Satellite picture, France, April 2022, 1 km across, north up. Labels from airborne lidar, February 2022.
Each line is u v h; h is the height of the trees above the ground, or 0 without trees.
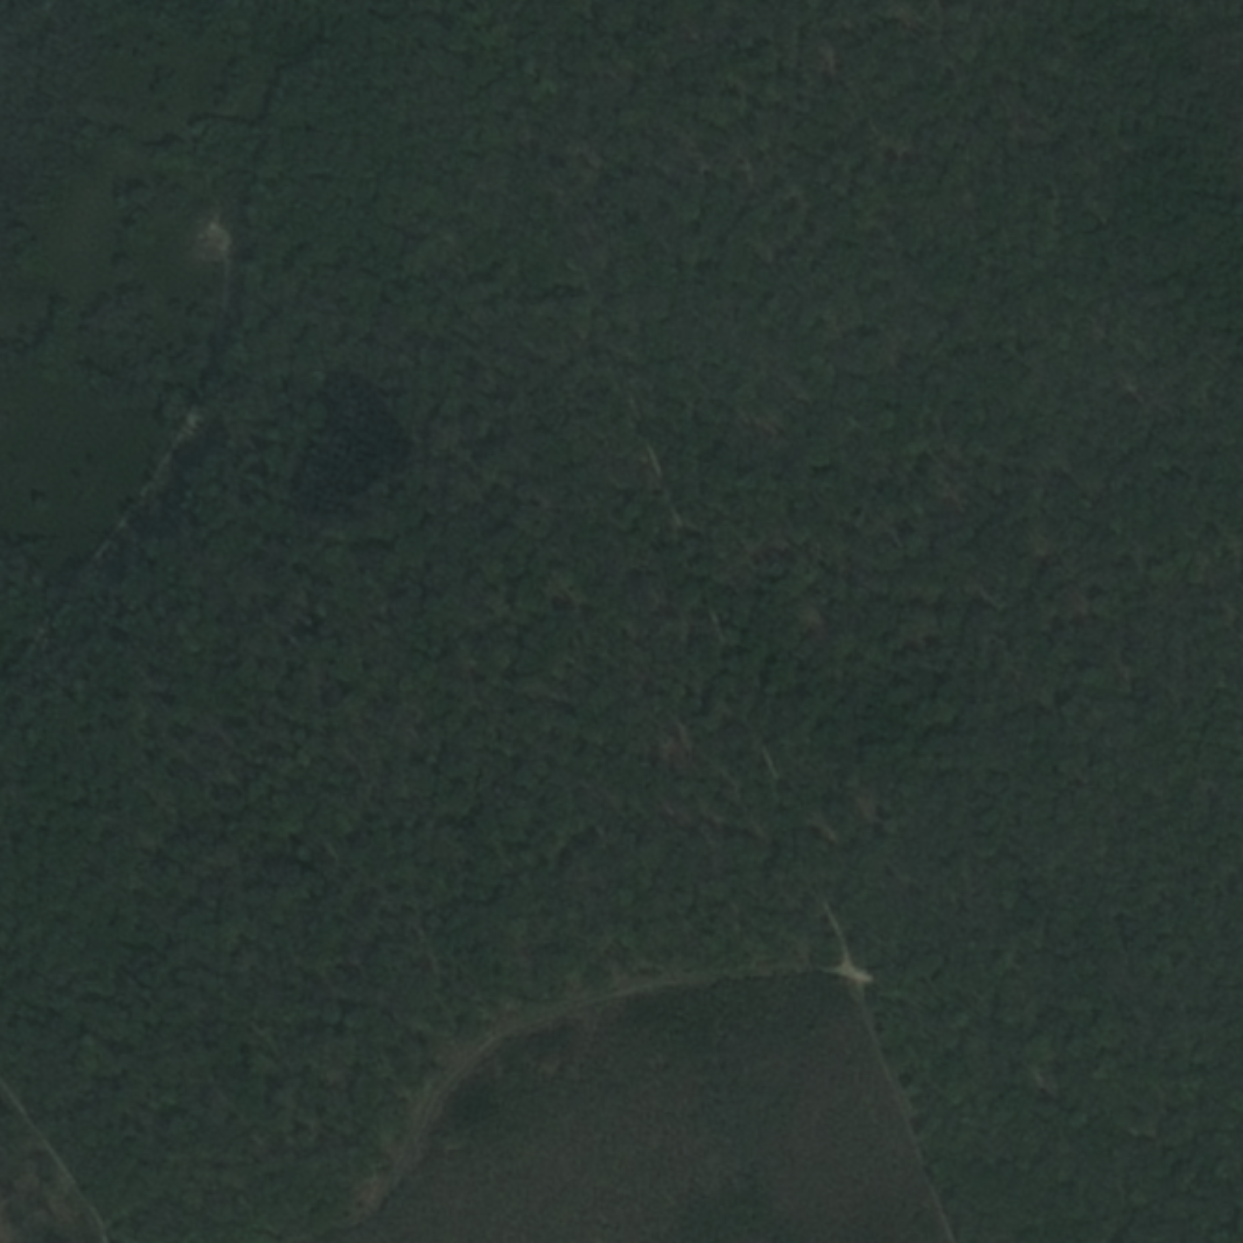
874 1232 11
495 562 27
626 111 26
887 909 28
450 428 37
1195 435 28
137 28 0
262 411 31
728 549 27
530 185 30
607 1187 11
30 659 18
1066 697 11
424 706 29
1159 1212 23
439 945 26
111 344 14
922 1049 27
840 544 32
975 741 27
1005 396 28
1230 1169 27
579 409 25
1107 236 27
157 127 0
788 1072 13
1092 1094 26
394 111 27
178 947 21
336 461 27
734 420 29
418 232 27
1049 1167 25
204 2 6
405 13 26
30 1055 27
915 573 29
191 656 31
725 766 28
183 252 0
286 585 31
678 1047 11
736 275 30
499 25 25
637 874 30
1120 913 28
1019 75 16
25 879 25
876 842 29
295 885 34
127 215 13
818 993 13
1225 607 22
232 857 33
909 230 24
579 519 24
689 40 29
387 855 28
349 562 30
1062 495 26
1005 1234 21
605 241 28
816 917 26
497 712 28
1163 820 27
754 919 28
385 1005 30
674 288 29
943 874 25
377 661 29
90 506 0
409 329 22
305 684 32
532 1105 7
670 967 21
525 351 31
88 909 27
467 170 29
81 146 16
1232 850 24
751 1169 18
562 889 27
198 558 30
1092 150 27
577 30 25
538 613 31
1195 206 24
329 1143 13
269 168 26
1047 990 26
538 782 31
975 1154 21
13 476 0
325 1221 20
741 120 29
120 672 26
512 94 27
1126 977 28
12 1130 31
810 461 28
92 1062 33
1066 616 26
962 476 26
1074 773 25
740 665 24
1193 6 18
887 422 30
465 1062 0
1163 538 27
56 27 20
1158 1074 26
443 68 29
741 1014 6
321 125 22
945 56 28
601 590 25
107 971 28
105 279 0
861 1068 12
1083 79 25
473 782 28
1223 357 20
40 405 0
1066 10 24
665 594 30
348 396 27
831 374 23
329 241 28
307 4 9
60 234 0
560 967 29
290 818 28
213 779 28
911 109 27
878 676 26
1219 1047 27
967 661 23
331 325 30
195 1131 29
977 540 24
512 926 31
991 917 26
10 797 29
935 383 25
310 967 29
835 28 29
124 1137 30
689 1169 12
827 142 16
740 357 30
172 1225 23
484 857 29
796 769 26
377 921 28
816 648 23
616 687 27
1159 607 27
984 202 26
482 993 25
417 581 27
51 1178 27
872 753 27
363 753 28
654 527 29
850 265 28
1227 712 28
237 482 28
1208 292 22
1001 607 24
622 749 28
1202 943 26
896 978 22
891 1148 13
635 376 27
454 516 32
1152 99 25
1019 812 28
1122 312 26
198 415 20
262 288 31
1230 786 28
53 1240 0
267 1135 27
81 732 27
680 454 28
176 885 31
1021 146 29
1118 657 21
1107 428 25
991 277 28
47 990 27
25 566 28
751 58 28
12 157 20
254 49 6
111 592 32
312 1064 30
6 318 0
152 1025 28
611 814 27
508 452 27
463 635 31
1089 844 24
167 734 29
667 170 28
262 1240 23
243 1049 27
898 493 26
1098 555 27
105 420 0
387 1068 30
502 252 27
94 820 26
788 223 27
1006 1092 19
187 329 0
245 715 30
